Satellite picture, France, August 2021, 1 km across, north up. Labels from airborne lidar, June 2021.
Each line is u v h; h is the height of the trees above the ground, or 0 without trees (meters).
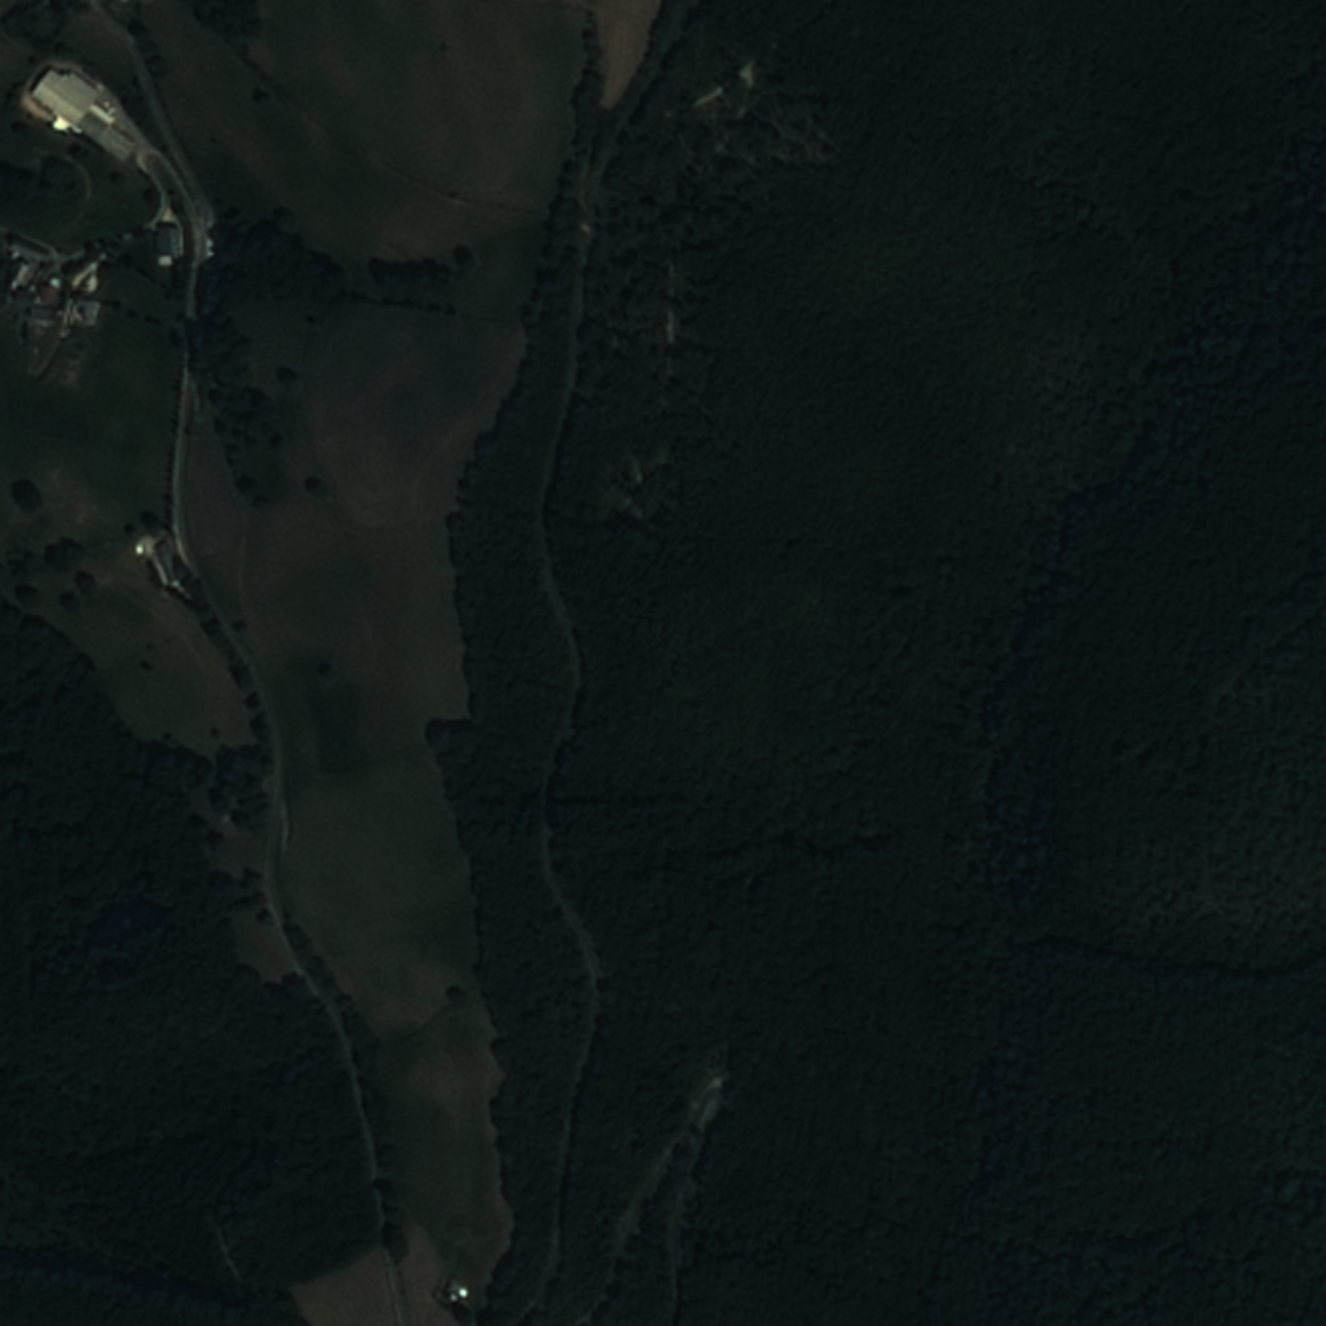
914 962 25
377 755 0
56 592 0
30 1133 28
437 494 0
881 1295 23
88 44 0
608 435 19
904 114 30
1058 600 24
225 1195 9
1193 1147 14
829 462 19
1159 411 21
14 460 0
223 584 0
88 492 0
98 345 0
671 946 24
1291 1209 19
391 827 0
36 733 36
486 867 19
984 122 26
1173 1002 18
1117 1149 24
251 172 0
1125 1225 26
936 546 24
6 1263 25
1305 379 22
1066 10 16
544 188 0
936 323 23
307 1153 22
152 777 24
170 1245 13
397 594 0
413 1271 0
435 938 0
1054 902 27
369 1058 16
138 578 0
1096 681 15
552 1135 21
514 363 0
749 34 18
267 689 0
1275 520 17
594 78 11
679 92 15
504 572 18
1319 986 24
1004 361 16
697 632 21
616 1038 25
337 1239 17
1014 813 25
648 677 23
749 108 23
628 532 30
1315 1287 12
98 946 17
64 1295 29
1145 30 18
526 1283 19
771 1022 16
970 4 17
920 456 21
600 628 23
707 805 26
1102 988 21
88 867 23
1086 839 18
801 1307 18
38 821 29
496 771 16
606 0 0
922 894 25
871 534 26
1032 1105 26
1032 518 13
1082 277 27
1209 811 8
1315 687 13
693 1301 18
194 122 0
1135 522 16
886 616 27
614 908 27
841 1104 22
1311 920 9
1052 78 26
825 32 17
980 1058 11
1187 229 30
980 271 20
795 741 24
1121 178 27
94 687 26
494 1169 0
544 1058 17
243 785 18
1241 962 12
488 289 0
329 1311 0
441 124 0
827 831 23
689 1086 13
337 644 0
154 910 17
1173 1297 20
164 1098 27
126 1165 11
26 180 20
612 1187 18
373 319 0
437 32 0
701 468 24
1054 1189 24
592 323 18
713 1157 24
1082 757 19
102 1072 17
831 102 22
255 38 14
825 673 19
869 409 28
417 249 0
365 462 0
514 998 18
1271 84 22
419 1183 0
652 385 18
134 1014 19
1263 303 24
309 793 0
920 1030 20
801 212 18
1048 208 23
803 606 14
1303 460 17
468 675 11
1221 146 21
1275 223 18
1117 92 25
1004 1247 22
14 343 0
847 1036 26
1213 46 19
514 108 0
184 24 0
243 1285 7
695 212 26
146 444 0
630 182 23
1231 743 14
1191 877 11
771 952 19
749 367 24
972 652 22
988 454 21
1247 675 9
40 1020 19
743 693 18
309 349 0
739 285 29
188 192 0
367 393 0
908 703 20
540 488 15
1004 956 22
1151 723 17
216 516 0
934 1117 21
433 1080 0
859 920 25
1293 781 10
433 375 0
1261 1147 12
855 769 21
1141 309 23
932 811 21
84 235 0
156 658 0
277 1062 21
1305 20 18
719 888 24
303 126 0
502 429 9
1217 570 19
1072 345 12
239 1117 13
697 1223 21
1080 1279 27
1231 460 19
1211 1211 24
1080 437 15
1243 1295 27
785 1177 22
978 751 25
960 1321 20
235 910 16
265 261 25
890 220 12
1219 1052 15
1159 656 15
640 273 20
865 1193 27
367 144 0
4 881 27
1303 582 12
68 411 0
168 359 0
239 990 23
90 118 0
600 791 28
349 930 0
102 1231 9
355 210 0
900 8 16
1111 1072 26
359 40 0
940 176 23
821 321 25
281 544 0
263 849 0
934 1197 23
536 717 17
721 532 26
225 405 12
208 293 15
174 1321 26
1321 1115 12
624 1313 17
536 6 0
